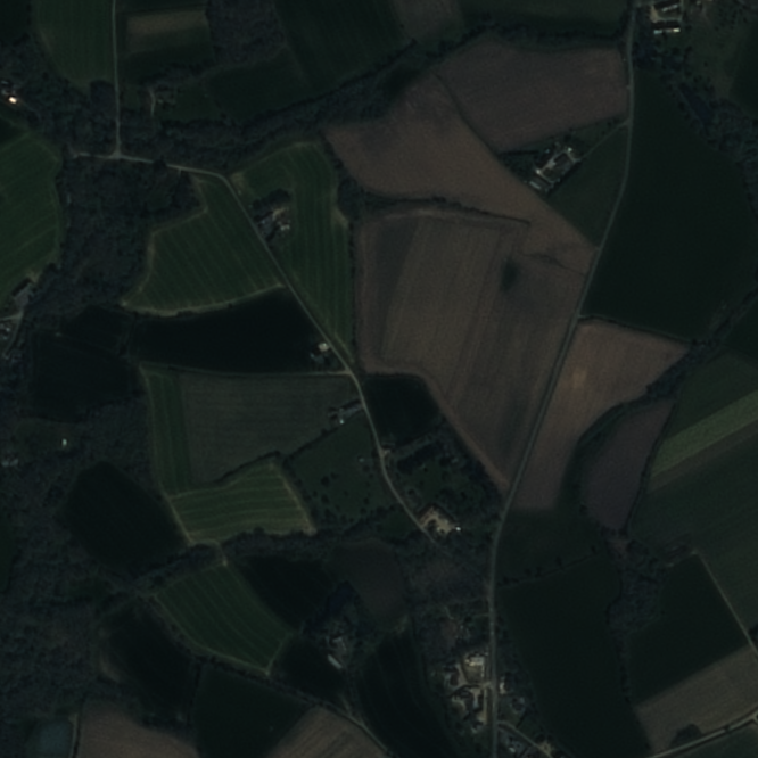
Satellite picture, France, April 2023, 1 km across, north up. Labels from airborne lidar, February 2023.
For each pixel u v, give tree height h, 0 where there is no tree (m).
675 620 0
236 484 0
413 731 0
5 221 0
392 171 0
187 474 0
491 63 0
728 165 0
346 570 0
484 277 0
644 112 0
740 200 0
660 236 0
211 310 0
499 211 0
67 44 0
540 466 0
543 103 0
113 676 0
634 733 0
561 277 0
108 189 12
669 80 13
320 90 0
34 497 16
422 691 0
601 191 0
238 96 0
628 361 0
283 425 0
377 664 0
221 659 0
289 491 0
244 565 0
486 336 0
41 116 17
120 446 10
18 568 7
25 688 15
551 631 0
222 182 0
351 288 0
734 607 0
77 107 13
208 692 0
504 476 0
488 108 0
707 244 0
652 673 0
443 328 0
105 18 0
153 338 0
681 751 0
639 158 0
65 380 0
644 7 6
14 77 13
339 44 0
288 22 0
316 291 0
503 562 0
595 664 0
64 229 0
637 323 0
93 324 0
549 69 0
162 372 0
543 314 0
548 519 0
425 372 0
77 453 10
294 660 0
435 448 11
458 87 0
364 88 10
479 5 0
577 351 0
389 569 0
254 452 0
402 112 0
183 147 11
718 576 0
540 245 0
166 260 0
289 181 0
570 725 0
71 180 14
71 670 9
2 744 16
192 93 0
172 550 0
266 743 0
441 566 10
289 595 0
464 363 0
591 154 0
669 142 0
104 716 0
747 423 0
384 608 0
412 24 0
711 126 10
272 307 0
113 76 0
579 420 0
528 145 0
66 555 11
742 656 0
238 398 0
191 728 13
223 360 0
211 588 0
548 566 0
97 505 0
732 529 0
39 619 17
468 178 0
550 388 0
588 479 0
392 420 0
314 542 10
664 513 0
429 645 19
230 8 18
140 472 10
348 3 0
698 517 0
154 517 0
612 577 0
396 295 0
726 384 0
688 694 0
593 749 0
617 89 0
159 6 0
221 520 0
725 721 0
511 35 12
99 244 20
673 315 0
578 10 0
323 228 0
